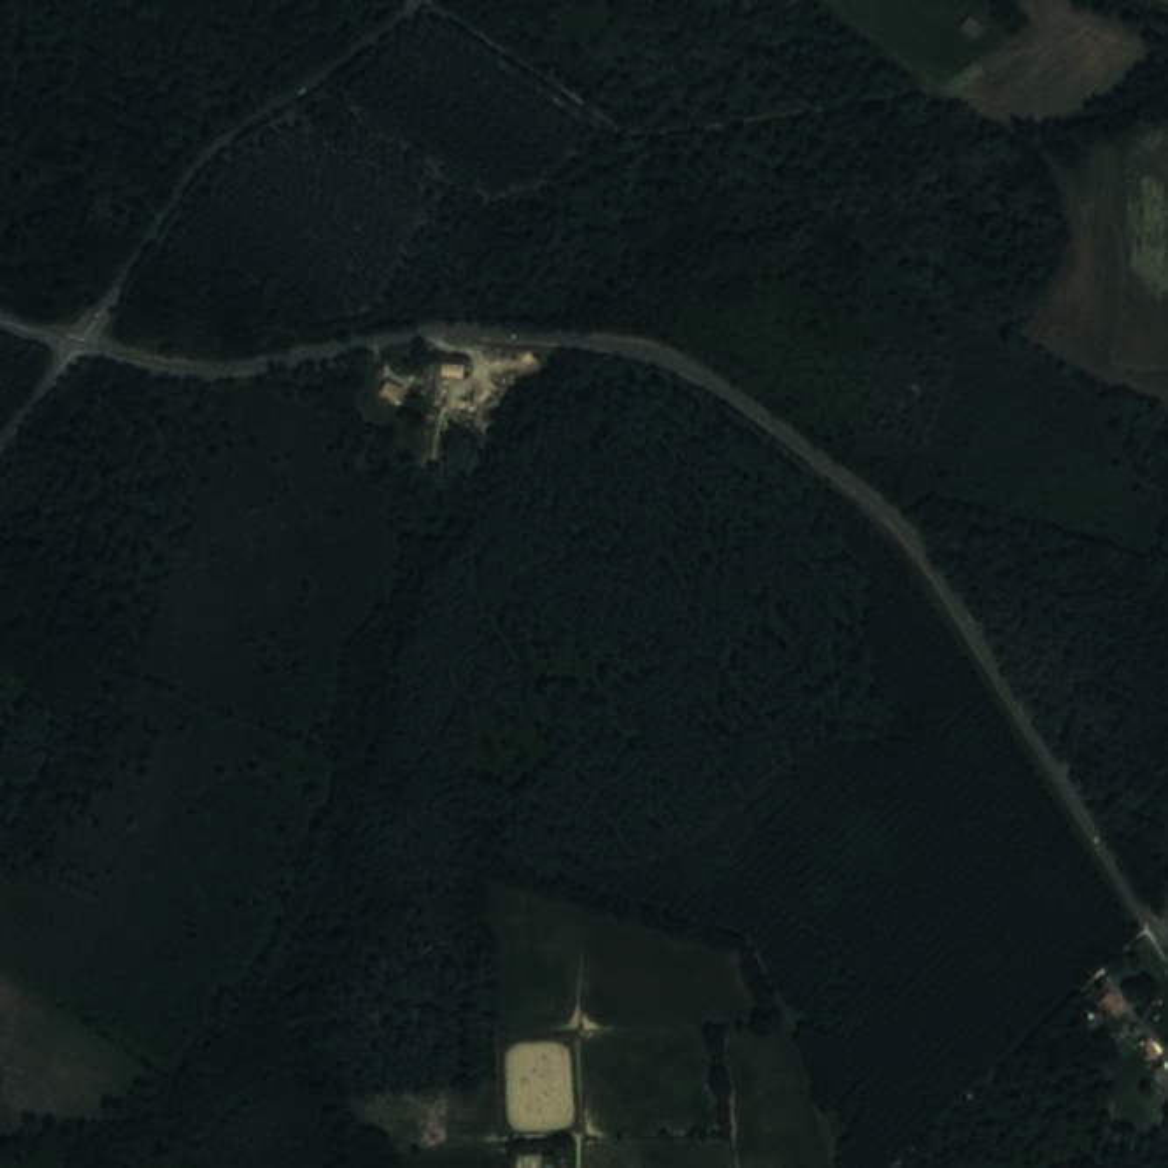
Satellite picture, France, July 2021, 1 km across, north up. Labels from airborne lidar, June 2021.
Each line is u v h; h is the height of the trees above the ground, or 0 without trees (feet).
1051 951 39
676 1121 0
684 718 65
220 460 43
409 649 81
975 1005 36
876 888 35
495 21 55
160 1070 24
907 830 31
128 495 40
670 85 57
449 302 36
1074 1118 55
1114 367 0
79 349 0
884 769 41
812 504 72
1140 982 45
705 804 58
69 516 57
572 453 60
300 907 30
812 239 55
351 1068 85
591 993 0
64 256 41
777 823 29
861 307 21
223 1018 69
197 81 53
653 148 52
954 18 0
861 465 30
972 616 28
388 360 30
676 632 65
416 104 54
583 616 62
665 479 70
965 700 41
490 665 65
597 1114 0
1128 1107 0
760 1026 63
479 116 55
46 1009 0
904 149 63
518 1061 0
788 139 45
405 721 64
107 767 58
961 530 25
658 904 41
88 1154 53
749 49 46
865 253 62
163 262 47
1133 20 76
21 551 43
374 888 43
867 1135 36
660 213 69
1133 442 64
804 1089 0
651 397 86
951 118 60
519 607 62
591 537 62
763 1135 0
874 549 35
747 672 64
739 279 33
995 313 60
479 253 46
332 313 42
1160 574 64
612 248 50
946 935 39
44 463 30
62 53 56
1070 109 0
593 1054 0
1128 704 56
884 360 30
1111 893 37
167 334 39
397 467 58
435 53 62
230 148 21
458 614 54
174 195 53
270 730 24
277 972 56
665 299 29
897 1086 33
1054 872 35
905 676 41
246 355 29
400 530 35
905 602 34
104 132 51
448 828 62
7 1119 0
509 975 0
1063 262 39
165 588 23
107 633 44
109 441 41
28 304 45
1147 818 52
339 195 49
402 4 49
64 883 25
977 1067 31
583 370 75
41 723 64
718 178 65
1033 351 24
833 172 69
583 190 45
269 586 31
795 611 62
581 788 65
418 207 48
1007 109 0
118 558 45
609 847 56
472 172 54
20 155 31
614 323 56
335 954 55
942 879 34
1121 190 0
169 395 43
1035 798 33
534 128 62
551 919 0
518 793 65
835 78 61
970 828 36
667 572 61
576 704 68
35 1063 0
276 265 51
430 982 75
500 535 62
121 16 85
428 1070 79
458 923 25
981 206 24
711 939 64
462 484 57
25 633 53
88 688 38
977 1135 25
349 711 44
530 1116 0
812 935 24
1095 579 55
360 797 61
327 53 63
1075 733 65
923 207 71
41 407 28
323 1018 39
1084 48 0
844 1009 31
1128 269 0
